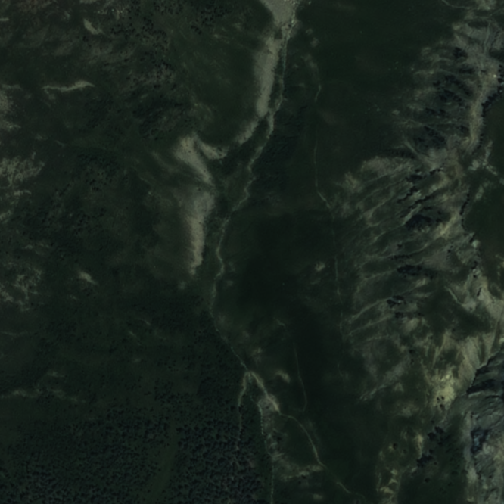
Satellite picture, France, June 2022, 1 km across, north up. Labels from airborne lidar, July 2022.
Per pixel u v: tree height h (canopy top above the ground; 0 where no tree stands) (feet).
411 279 0
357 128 0
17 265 0
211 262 0
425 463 34
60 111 0
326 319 0
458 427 0
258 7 0
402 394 0
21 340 0
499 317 0
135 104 0
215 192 0
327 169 0
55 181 0
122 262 0
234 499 61
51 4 0
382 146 0
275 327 0
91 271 27
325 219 0
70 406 24
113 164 32
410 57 0
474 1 0
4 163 0
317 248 0
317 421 0
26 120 0
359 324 0
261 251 0
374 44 0
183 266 0
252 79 0
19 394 0
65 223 28
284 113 0
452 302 0
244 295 0
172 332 21
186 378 20
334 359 0
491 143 0
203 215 0
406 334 0
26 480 27
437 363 0
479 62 0
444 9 0
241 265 0
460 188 0
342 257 0
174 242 0
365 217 0
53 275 24
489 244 0
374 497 0
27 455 32
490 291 0
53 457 38
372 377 0
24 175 0
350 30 0
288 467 0
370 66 0
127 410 26
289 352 0
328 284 0
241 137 0
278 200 0
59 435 25
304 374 0
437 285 0
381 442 0
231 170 21
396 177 0
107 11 0
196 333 25
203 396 46
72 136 0
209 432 64
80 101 0
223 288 0
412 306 0
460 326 0
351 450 0
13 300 0
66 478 29
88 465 40
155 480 0
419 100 0
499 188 0
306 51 0
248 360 0
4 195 0
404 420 0
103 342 0
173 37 0
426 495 0
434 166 0
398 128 0
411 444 0
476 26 0
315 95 0
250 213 0
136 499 22
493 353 0
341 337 0
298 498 0
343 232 0
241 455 80
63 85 0
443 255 0
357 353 0
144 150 0
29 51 0
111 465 52
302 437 0
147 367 0
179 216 0
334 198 0
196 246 0
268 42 0
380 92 0
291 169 0
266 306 0
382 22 0
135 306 23
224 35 0
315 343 0
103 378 28
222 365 27
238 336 0
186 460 43
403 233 0
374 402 0
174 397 52
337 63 0
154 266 0
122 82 0
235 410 73
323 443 0
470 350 0
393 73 0
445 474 0
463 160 0
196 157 0
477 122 0
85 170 28
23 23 0
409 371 0
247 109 0
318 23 0
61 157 0
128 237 0
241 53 0
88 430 31
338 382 0
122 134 21
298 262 0
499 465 0
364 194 0
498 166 0
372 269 0
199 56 0
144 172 0
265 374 0
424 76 0
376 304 0
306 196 0
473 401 0
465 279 0
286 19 0
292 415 0
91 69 0
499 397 0
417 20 0
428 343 0
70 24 0
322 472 0
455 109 0
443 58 0
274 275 0
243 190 0
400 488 0
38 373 22
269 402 0
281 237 0
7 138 0
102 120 21
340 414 0
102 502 94
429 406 0
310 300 0
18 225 0
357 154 0
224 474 54
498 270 0
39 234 18
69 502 70
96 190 43
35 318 0
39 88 0
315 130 0
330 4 0
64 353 0
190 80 0
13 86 0
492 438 0
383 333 0
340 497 0
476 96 0
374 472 0
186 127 27
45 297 0
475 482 0
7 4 0
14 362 0
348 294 0
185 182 0
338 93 0
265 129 19
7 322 0
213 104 0
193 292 0
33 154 0
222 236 0
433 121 0
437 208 0
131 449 35
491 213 0
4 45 0
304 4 0
